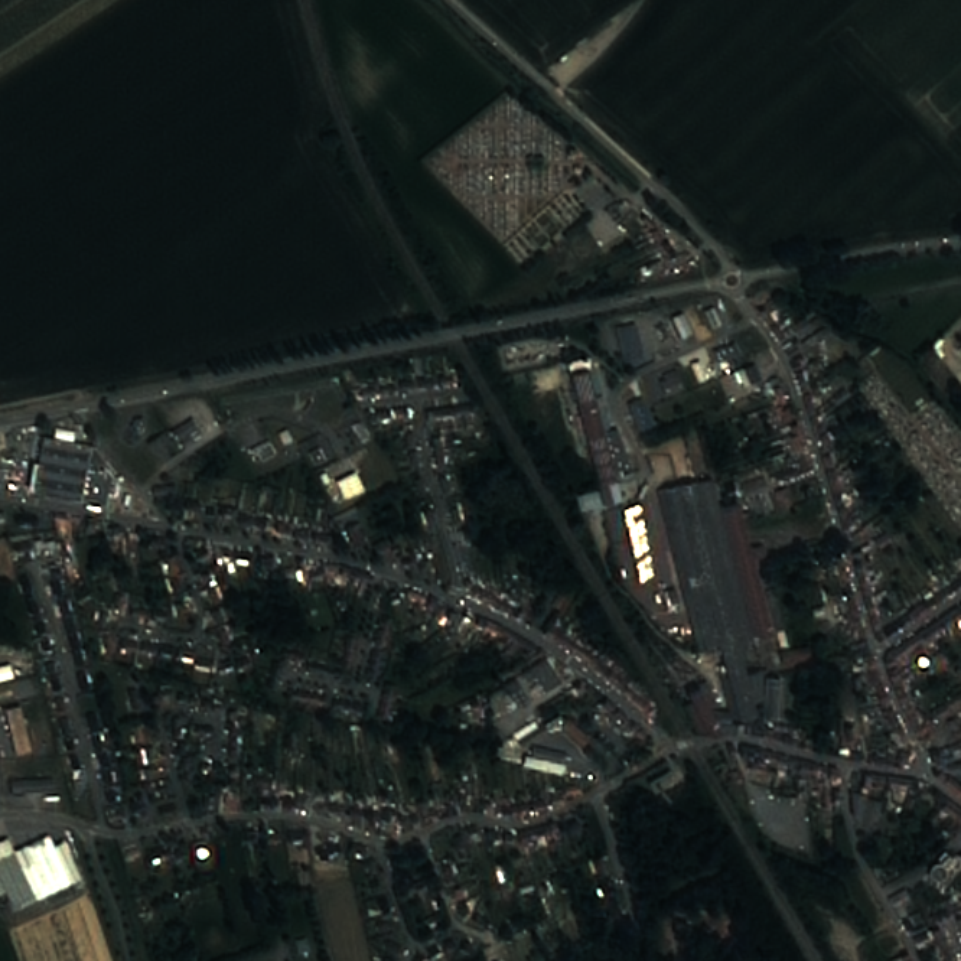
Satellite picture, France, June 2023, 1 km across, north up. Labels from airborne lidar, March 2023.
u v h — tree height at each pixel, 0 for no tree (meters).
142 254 0
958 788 0
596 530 0
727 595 0
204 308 0
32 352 0
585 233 0
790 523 0
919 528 0
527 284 0
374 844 0
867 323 16
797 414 0
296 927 0
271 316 0
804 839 0
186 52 0
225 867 0
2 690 0
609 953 30
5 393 0
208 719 0
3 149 0
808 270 24
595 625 19
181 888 6
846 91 0
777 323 0
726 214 0
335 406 0
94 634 0
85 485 0
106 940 0
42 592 0
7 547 0
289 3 0
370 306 0
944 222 0
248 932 0
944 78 0
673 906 10
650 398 0
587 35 0
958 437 0
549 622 6
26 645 0
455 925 0
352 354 0
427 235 0
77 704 0
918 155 0
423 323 14
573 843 6
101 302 0
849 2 0
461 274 0
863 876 0
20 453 0
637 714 0
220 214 0
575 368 0
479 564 0
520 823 0
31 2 0
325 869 0
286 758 0
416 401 0
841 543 17
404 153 0
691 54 0
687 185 0
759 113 0
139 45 0
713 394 0
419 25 0
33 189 0
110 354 0
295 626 18
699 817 11
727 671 0
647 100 0
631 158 0
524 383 0
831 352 0
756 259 0
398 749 12
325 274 0
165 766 0
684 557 0
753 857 0
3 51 0
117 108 0
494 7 0
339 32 0
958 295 0
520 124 0
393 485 9
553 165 0
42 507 0
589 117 0
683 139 0
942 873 0
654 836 26
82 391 0
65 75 0
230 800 0
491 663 8
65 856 0
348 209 0
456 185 0
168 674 8
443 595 0
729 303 0
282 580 16
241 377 0
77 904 0
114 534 0
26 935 0
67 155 0
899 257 10
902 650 0
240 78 0
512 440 0
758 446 13
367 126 0
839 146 0
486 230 0
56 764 0
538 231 0
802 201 0
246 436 0
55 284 0
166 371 0
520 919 11
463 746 15
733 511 0
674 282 0
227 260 0
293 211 0
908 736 0
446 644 0
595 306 0
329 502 0
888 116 0
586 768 0
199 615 0
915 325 0
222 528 0
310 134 0
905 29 0
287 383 0
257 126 0
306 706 0
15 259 0
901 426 0
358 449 0
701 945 24
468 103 0
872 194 0
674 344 0
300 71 0
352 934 0
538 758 0
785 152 0
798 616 0
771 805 0
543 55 0
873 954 0
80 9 0
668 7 0
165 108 0
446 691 0
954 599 0
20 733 0
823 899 0
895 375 0
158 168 0
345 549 12
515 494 22
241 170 0
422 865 23
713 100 0
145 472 0
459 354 0
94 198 0
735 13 0
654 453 0
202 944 0
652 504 0
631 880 15
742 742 0
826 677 26
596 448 0
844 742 0
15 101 0
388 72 0
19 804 0
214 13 0
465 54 0
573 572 19
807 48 0
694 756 0
